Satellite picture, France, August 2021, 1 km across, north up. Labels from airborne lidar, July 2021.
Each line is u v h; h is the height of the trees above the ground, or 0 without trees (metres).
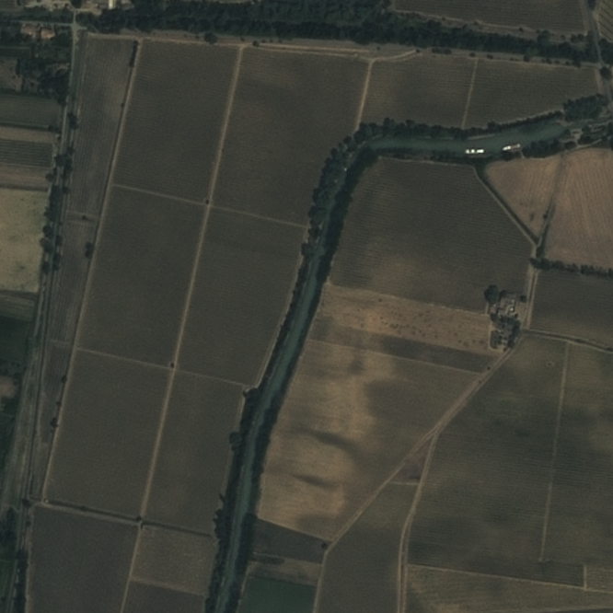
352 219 0
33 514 0
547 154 9
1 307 0
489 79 0
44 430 0
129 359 0
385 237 0
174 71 0
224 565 12
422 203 0
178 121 0
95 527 0
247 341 0
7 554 0
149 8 7
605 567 0
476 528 0
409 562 0
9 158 0
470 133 11
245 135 0
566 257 0
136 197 0
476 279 0
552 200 0
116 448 0
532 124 16
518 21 0
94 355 0
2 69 0
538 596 0
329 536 0
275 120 0
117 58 0
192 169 0
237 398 0
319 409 0
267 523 0
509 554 0
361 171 19
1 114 0
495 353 0
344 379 0
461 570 0
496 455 0
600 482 0
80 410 0
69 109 0
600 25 0
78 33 0
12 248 0
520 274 0
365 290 0
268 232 0
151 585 0
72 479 0
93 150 0
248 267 0
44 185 0
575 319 0
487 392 0
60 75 10
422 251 0
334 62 0
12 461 0
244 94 0
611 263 0
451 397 0
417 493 0
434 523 0
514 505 0
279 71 0
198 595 0
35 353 0
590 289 0
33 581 0
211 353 0
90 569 0
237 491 11
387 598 0
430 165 0
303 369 0
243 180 0
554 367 0
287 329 12
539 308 0
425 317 0
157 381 0
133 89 0
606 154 0
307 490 0
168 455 0
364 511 0
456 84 0
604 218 0
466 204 0
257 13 26
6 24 11
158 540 0
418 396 0
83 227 0
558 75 0
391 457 0
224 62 0
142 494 0
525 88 0
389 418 0
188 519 0
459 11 0
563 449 0
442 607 0
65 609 0
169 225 0
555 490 0
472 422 0
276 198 0
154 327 0
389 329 0
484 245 0
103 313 0
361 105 0
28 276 0
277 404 16
